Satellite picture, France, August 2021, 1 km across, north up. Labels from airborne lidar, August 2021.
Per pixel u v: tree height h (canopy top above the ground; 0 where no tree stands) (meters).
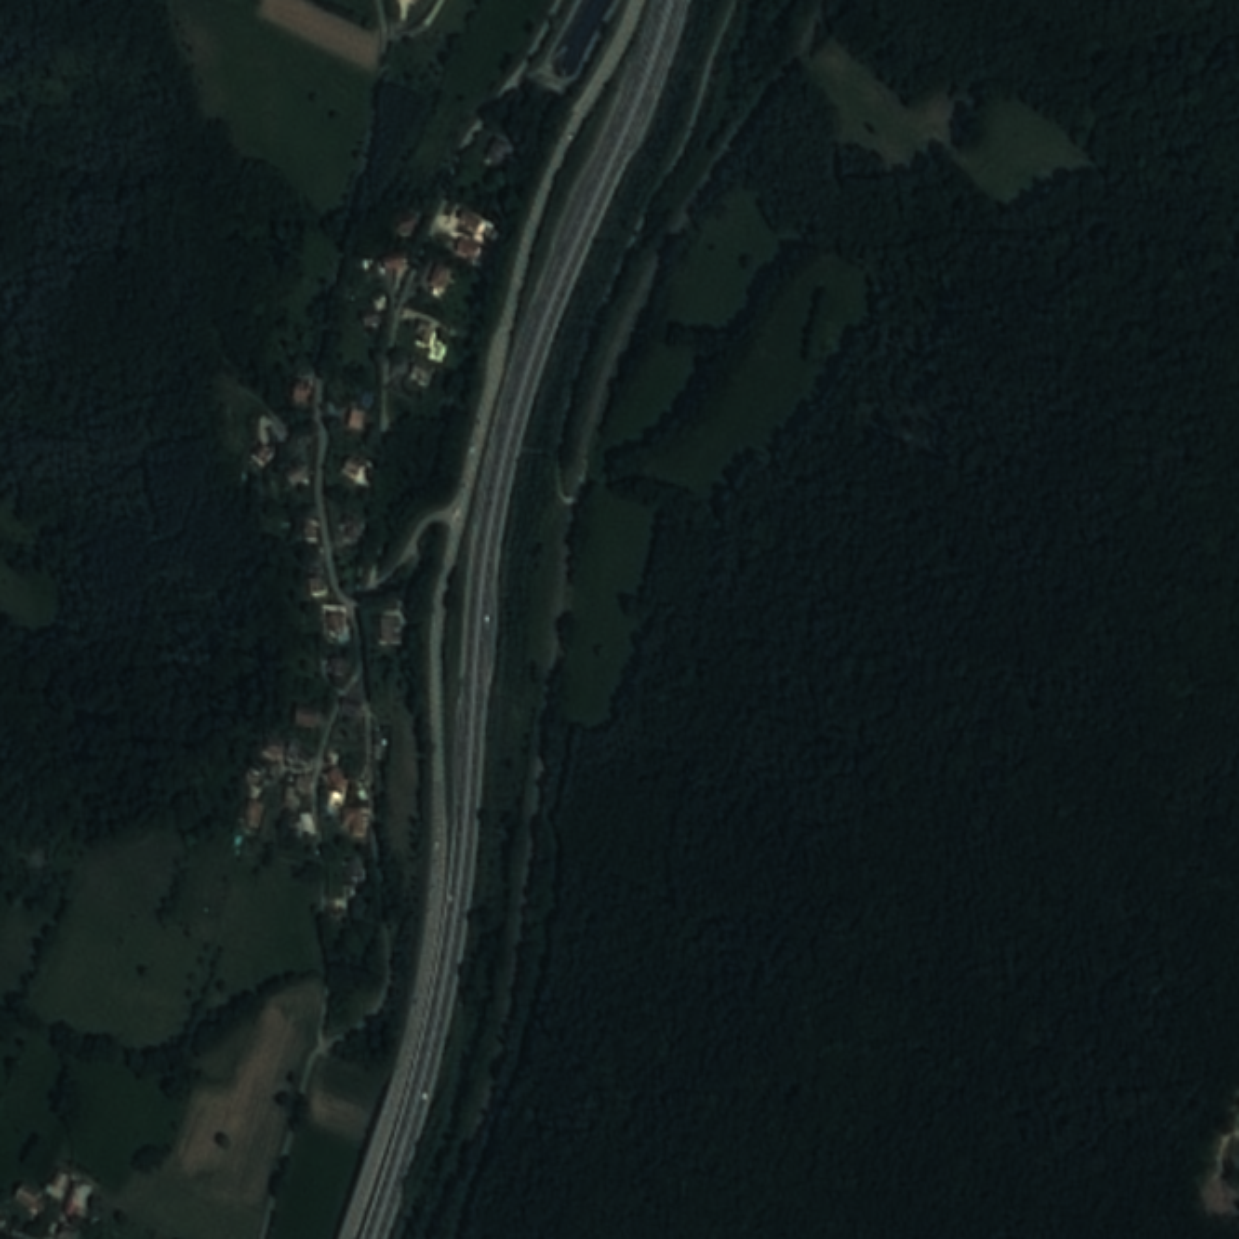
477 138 8
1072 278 23
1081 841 22
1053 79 18
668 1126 20
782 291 20
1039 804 24
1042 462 21
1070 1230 25
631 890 14
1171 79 21
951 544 22
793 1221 19
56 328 17
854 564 23
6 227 23
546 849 16
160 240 17
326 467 6
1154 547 22
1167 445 27
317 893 0
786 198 14
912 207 28
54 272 18
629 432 0
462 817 0
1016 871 27
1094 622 25
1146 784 23
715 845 23
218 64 0
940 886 21
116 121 12
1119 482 28
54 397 15
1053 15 22
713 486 0
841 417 15
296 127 0
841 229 13
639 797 16
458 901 0
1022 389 22
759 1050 20
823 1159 21
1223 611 24
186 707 26
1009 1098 24
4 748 17
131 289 26
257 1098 0
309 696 12
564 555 0
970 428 22
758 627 21
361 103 0
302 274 13
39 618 0
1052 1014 26
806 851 22
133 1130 0
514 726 0
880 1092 22
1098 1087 25
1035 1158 24
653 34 0
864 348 21
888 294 11
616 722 9
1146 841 27
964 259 24
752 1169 21
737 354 24
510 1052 10
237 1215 0
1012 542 22
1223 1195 0
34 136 12
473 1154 17
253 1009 13
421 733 15
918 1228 20
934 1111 23
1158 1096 25
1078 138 20
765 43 16
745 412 0
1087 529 24
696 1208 19
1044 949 19
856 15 19
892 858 25
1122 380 21
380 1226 0
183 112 14
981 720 20
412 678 14
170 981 0
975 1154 22
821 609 22
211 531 21
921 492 18
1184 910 25
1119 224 24
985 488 26
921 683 22
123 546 23
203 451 17
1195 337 24
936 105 0
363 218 22
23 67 14
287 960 0
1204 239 25
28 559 17
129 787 19
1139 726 24
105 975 0
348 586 11
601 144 0
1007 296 23
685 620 17
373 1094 0
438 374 7
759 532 26
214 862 0
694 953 23
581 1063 20
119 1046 17
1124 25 16
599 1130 21
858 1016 24
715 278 0
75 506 14
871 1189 21
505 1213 20
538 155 17
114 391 10
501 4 0
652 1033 18
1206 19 21
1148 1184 23
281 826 9
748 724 20
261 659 10
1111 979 24
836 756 19
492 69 0
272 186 16
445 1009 0
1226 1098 23
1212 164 22
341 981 9
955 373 21
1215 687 22
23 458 16
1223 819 25
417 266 9
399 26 0
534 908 13
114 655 31
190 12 0
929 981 25
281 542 11
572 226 0
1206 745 23
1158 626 23
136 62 14
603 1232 15
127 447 15
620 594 0
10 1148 0
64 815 16
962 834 23
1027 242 24
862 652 24
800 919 22
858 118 0
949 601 25
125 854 0
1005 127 0
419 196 8
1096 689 25
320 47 0
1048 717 25
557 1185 19
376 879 10
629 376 14
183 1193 0
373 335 8
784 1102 20
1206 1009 24
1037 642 26
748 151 15
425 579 13
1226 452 21
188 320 20
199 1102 0
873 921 27
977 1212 24
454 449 17
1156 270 27
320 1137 0
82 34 13
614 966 17
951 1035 24
